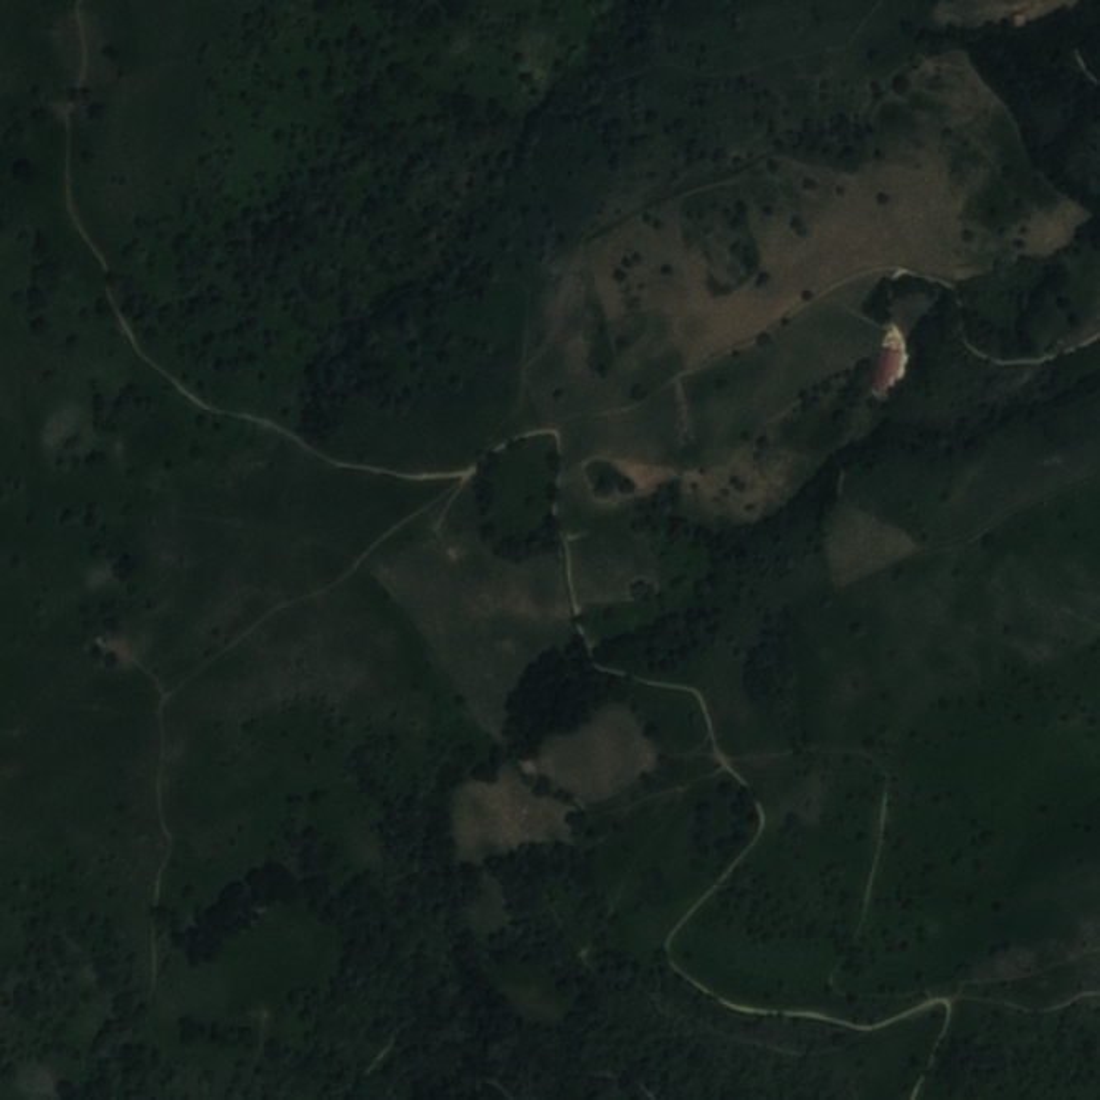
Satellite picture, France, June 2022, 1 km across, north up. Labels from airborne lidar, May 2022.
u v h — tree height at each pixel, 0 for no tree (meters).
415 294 12
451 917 14
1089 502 0
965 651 0
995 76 14
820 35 0
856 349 0
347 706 0
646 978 7
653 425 0
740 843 14
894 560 0
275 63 0
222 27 0
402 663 0
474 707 0
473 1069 25
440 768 11
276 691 0
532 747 12
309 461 0
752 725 0
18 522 0
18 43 0
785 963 0
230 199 11
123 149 0
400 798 8
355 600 0
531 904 10
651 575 0
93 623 7
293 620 0
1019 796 0
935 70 0
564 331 0
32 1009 10
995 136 0
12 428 0
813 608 0
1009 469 0
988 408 11
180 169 0
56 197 0
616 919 8
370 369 13
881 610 0
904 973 0
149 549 0
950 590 0
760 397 0
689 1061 7
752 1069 5
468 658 0
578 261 0
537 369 0
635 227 0
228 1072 0
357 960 14
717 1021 8
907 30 14
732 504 0
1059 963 0
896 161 0
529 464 0
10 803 0
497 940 11
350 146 11
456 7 13
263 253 13
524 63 13
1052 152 12
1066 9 10
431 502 0
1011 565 0
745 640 0
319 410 17
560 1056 19
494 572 0
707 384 0
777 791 0
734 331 0
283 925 0
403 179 11
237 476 0
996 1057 8
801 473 0
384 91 16
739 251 9
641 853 0
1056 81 15
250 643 0
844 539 0
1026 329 17
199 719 0
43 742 0
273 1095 12
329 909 12
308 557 0
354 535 0
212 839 0
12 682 0
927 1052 0
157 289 0
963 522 0
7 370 0
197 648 0
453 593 0
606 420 0
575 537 0
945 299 14
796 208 0
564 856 15
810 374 0
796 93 0
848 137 12
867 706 0
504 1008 19
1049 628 0
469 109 20
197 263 17
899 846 7
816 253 0
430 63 12
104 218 0
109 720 0
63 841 0
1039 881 0
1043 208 0
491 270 10
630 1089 20
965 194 0
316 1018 12
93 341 0
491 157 13
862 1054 0
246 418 0
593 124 7
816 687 0
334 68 11
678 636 10
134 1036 9
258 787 0
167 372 0
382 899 11
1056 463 0
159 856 0
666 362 0
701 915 0
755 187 0
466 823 0
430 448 0
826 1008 0
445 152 15
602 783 0
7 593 0
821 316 0
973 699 0
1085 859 0
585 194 0
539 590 0
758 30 0
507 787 0
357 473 0
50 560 0
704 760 0
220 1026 7
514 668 0
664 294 0
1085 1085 14
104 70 0
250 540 0
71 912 7
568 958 11
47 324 12
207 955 24
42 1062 11
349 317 10
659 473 0
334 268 11
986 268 0
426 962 12
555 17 10
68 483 0
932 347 19
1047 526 0
